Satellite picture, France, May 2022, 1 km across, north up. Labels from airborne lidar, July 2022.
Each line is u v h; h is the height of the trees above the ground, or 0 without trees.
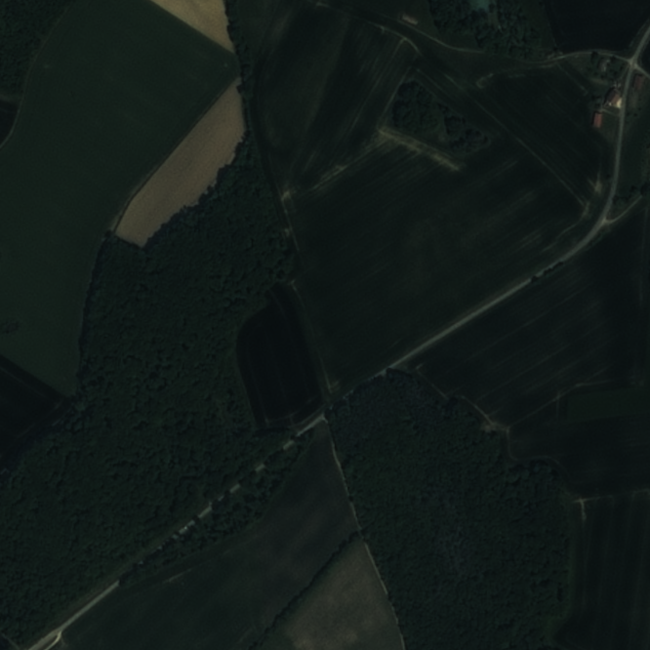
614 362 0
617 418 0
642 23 0
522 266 0
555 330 0
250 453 20
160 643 0
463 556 15
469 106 0
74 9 0
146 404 24
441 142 0
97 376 9
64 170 0
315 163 0
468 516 17
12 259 0
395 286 0
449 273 0
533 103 0
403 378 23
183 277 22
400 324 0
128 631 0
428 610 16
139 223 0
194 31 0
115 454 24
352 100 0
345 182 0
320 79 0
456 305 0
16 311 0
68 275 0
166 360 19
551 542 27
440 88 0
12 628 20
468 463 18
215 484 27
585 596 0
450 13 22
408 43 0
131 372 19
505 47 22
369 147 0
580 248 0
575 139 0
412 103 20
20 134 0
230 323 22
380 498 20
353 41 0
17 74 19
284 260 24
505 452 0
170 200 0
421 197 0
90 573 18
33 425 0
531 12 0
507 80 0
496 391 0
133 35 0
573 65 0
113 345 20
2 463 0
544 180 0
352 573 0
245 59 12
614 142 0
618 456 0
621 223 0
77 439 25
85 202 0
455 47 0
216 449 27
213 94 0
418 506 15
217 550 0
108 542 20
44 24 21
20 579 17
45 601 16
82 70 0
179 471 17
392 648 0
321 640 0
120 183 0
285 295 0
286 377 0
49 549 20
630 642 0
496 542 20
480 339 0
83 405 19
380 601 0
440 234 0
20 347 0
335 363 0
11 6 18
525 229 0
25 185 0
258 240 23
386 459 17
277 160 0
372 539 14
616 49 0
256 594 0
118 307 25
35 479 23
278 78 0
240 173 18
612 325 0
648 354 0
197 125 0
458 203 0
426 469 12
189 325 21
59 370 0
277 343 0
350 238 0
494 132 0
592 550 0
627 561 0
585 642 0
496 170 0
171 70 0
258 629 0
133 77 0
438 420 21
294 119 0
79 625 0
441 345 0
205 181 0
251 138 14
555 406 0
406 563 15
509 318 0
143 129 0
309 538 0
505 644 26
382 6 0
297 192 0
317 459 0
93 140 0
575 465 0
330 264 0
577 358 0
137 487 24
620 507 0
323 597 0
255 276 20
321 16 0
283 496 0
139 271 21
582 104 0
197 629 0
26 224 0
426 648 17
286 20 0
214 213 21
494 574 24
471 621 16
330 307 0
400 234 0
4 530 23
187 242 22
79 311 0
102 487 23
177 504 23
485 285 0
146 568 16
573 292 0
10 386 0
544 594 23
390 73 0
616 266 0
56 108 0
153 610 0
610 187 0
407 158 0
